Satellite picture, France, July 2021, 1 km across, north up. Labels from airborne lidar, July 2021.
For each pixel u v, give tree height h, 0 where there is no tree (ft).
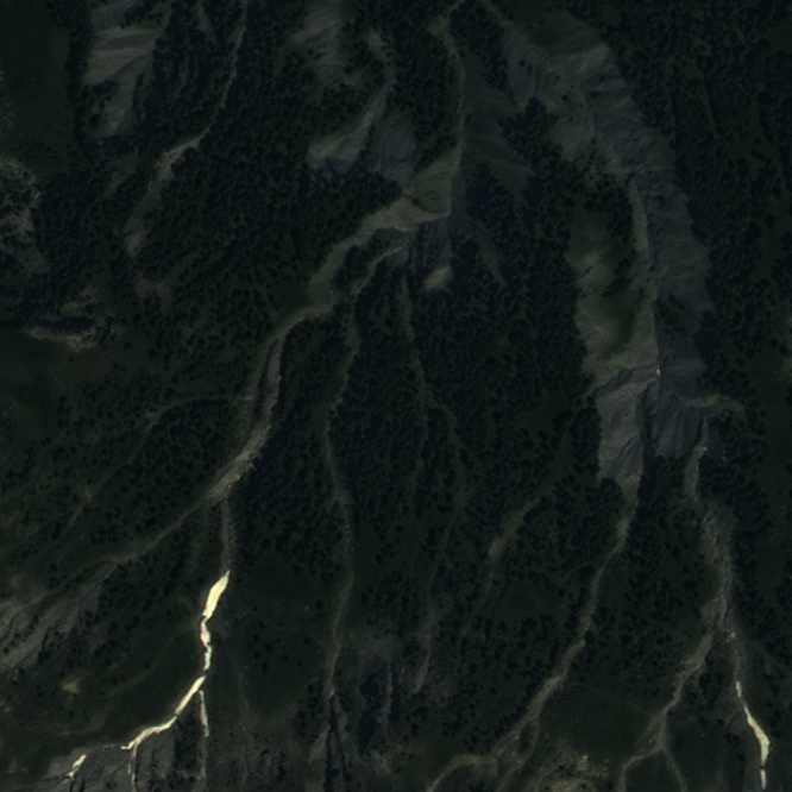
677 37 78
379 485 61
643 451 0
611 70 0
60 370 0
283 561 0
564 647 27
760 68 98
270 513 30
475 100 0
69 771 0
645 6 93
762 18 66
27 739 0
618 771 0
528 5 0
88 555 0
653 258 0
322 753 0
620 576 0
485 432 64
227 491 0
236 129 92
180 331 40
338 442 29
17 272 58
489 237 0
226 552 0
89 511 26
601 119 0
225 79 60
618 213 58
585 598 56
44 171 0
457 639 43
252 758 0
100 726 0
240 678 0
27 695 0
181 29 56
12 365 0
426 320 68
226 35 60
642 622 28
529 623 44
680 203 0
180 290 47
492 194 78
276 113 78
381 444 78
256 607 27
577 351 58
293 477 45
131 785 0
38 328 0
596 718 0
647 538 57
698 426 0
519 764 0
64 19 55
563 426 68
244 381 23
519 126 46
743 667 0
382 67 33
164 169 0
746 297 69
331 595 0
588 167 29
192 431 69
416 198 33
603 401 0
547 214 71
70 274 37
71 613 0
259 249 65
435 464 68
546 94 0
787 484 0
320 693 22
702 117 105
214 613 0
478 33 46
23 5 0
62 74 0
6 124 0
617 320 0
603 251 0
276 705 0
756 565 69
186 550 58
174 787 31
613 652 0
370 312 44
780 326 0
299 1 51
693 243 0
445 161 0
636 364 0
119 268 66
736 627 0
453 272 0
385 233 0
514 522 0
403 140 0
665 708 0
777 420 0
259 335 45
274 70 19
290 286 0
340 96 43
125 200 49
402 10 106
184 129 71
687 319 0
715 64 87
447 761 0
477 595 49
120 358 0
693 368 0
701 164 75
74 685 0
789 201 0
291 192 93
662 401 0
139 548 0
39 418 0
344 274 20
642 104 61
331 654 0
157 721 0
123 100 0
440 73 42
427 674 0
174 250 33
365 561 0
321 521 74
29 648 0
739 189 93
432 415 44
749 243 85
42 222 72
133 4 0
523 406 79
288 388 29
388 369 80
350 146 0
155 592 47
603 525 54
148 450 30
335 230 53
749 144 0
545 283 71
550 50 0
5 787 0
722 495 31
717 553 0
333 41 0
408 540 0
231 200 83
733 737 30
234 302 64
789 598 51
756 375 0
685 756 0
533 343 93
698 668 0
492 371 80
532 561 38
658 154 0
